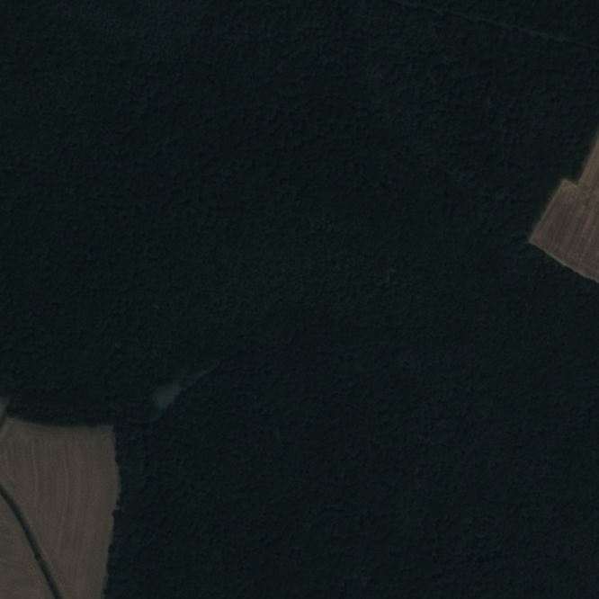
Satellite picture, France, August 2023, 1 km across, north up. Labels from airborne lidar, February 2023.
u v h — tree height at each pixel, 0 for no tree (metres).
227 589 24
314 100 23
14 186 26
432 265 16
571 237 0
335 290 11
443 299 22
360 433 23
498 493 22
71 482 0
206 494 18
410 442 23
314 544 23
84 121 21
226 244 23
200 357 20
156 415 17
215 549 23
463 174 21
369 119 25
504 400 23
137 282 24
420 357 25
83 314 24
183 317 22
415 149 21
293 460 26
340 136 17
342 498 25
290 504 28
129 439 19
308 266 19
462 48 22
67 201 26
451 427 20
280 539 25
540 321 22
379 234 25
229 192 27
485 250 22
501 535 18
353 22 23
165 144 20
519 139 22
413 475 22
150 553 24
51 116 22
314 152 19
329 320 17
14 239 19
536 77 21
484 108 18
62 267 27
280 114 22
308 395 24
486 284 24
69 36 23
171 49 23
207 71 21
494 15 22
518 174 16
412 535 24
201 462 25
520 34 19
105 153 18
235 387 17
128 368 23
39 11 17
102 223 27
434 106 28
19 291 22
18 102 21
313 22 16
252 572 24
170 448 22
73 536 0
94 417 12
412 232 25
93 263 28
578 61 11
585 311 26
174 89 22
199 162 22
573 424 16
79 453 0
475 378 24
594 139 12
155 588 24
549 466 21
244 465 25
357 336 25
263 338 18
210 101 13
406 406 16
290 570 25
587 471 20
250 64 18
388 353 23
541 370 22
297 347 21
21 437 0
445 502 24
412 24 24
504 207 22
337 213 16
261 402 23
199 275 25
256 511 23
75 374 23
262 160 22
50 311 27
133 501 18
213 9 17
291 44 22
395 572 26
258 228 25
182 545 21
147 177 29
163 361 20
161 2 18
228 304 22
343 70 23
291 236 17
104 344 21
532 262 24
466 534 19
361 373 18
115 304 26
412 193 20
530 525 15
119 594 20
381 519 29
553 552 22
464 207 22
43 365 25
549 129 20
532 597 23
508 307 15
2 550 0
